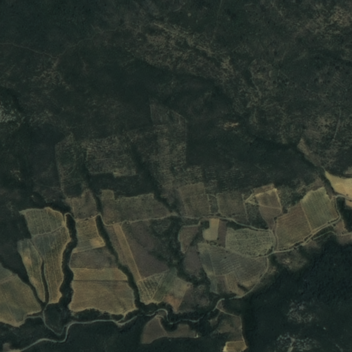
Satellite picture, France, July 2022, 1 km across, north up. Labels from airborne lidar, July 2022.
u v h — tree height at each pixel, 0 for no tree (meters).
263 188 0
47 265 0
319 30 0
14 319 0
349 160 0
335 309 0
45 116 0
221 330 0
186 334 0
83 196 0
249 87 0
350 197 0
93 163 0
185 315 6
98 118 0
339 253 7
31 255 0
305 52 0
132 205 0
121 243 0
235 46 0
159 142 0
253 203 0
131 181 0
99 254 0
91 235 0
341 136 0
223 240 0
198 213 0
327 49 0
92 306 0
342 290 6
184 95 0
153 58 0
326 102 0
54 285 0
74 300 0
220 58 0
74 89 0
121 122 0
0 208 0
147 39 0
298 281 6
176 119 0
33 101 0
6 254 0
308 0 0
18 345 5
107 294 0
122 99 0
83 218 0
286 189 0
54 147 0
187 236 0
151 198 0
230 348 0
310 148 0
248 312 6
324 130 0
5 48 0
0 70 0
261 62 0
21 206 0
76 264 0
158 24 0
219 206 0
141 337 0
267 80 0
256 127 0
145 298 0
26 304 0
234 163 0
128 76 0
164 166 0
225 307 9
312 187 0
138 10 0
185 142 0
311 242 0
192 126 0
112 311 0
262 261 0
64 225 0
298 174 0
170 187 0
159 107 0
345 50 0
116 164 0
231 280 0
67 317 5
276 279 7
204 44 0
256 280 0
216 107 0
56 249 0
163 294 0
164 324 7
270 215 0
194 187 0
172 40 0
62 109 0
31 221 0
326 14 0
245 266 0
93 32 0
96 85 0
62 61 0
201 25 0
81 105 0
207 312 6
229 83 0
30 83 0
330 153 0
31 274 0
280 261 0
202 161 0
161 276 0
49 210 0
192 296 0
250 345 7
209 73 0
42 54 0
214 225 0
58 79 0
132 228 0
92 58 0
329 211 0
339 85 0
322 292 7
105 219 0
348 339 0
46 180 0
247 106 0
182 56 0
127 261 0
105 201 0
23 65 0
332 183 0
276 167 0
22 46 0
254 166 0
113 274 0
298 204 0
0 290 0
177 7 0
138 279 0
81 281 0
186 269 0
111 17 0
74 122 0
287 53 0
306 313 0
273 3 0
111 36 0
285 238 0
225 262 0
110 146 0
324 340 0
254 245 0
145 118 0
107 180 0
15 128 0
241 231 0
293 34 0
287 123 0
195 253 0
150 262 0
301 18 0
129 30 0
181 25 0
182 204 0
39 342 0
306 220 0
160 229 0
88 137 0
